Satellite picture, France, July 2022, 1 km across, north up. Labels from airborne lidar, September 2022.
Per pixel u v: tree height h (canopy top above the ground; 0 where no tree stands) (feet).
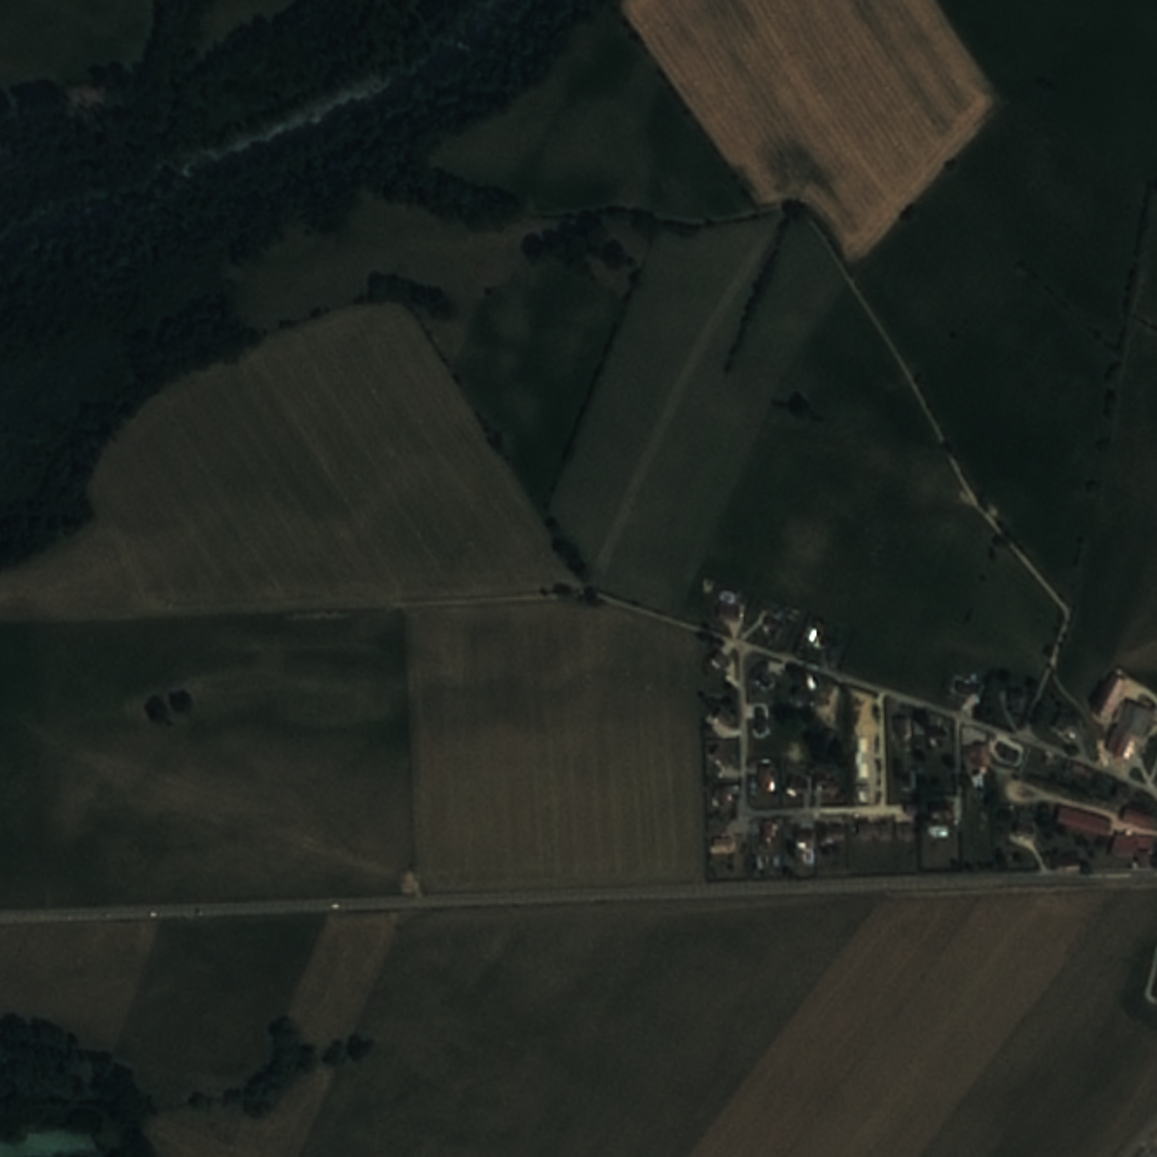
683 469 0
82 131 69
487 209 94
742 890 0
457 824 0
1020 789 0
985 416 0
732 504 0
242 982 0
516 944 0
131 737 0
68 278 72
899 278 0
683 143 0
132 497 0
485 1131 0
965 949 0
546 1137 0
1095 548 0
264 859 0
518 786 0
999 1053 0
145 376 65
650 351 0
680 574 0
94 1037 0
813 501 0
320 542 0
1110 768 0
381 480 0
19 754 0
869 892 0
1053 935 0
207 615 0
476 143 0
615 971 0
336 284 0
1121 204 0
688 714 0
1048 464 0
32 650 0
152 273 38
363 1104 0
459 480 0
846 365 0
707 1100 0
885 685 0
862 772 0
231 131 37
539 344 0
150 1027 0
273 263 0
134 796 0
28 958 0
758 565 0
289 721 0
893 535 0
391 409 0
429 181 61
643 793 0
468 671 0
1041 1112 0
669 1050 0
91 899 0
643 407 0
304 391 0
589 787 0
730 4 0
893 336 0
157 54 51
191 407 0
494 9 0
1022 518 0
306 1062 39
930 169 0
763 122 0
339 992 0
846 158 0
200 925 0
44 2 0
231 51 67
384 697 0
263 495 0
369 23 41
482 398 0
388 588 0
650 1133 0
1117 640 0
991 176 0
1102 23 0
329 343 0
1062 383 0
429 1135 0
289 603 0
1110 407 18
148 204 61
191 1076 0
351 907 0
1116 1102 0
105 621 0
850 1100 0
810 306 0
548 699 0
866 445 0
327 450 0
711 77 0
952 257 0
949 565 0
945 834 0
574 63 0
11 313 83
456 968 0
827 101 0
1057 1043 0
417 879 0
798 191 0
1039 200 0
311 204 48
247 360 0
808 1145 0
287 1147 0
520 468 0
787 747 0
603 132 0
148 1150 68
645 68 0
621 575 0
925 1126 0
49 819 0
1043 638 0
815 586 0
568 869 0
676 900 0
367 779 0
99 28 0
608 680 0
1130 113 0
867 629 0
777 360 0
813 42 0
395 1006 0
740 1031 0
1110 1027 0
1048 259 0
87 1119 29
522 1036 0
